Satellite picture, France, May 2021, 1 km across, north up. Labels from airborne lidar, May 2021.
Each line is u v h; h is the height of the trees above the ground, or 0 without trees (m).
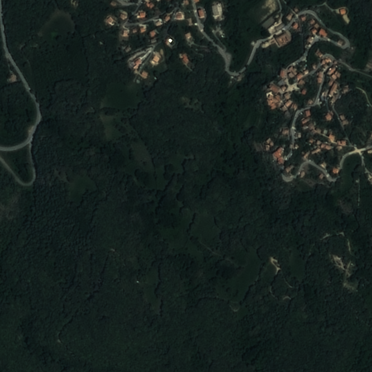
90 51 11
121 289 9
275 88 0
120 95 0
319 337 15
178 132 16
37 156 9
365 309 13
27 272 13
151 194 22
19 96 13
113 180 11
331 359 17
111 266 10
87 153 13
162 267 15
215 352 13
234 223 14
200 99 16
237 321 8
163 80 17
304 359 13
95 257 15
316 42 10
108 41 14
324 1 10
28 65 13
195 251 0
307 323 14
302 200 7
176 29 14
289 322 13
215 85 16
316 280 12
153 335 15
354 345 13
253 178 22
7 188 12
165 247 17
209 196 17
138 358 9
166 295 10
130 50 5
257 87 6
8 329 14
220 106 10
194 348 13
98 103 15
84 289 21
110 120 0
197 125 11
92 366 23
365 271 13
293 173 8
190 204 15
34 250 8
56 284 14
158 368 17
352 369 8
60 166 12
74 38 10
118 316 16
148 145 14
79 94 10
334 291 7
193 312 20
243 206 14
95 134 10
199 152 17
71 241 7
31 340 19
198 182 14
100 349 13
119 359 15
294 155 0
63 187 7
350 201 9
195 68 12
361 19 9
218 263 14
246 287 0
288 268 9
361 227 14
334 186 9
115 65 20
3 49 10
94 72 15
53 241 13
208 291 12
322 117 6
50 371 15
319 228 7
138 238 14
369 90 7
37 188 7
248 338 7
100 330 16
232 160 17
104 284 16
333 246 11
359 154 0
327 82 8
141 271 13
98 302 21
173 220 17
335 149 8
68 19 0
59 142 15
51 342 14
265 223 15
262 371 14
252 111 0
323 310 10
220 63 12
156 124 13
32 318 20
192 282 14
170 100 8
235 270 17
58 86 12
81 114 13
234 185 16
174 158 0
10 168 0
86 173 10
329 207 16
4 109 21
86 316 20
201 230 0
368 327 9
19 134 8
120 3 0
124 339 11
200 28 0
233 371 18
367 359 12
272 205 14
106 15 11
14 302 16
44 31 0
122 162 18
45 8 9
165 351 12
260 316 8
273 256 12
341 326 15
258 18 0
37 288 8
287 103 0
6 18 10
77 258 15
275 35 10
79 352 14
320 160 6
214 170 12
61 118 13
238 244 11
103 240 14
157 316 13
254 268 0
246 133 13
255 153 6
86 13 16
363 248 7
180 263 13
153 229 17
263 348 9
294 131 0
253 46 0
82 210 10
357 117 13
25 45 7
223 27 8
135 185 18
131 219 18
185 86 12
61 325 15
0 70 11
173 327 20
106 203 12
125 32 0
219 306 16
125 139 7
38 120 0
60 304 17
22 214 15
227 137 9
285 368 15
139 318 12
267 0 0
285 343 14
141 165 0
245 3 0
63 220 8
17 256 12
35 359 18
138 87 0
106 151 16
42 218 12
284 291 9
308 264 12
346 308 11
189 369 15
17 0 13
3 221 8
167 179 10
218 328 14
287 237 14
